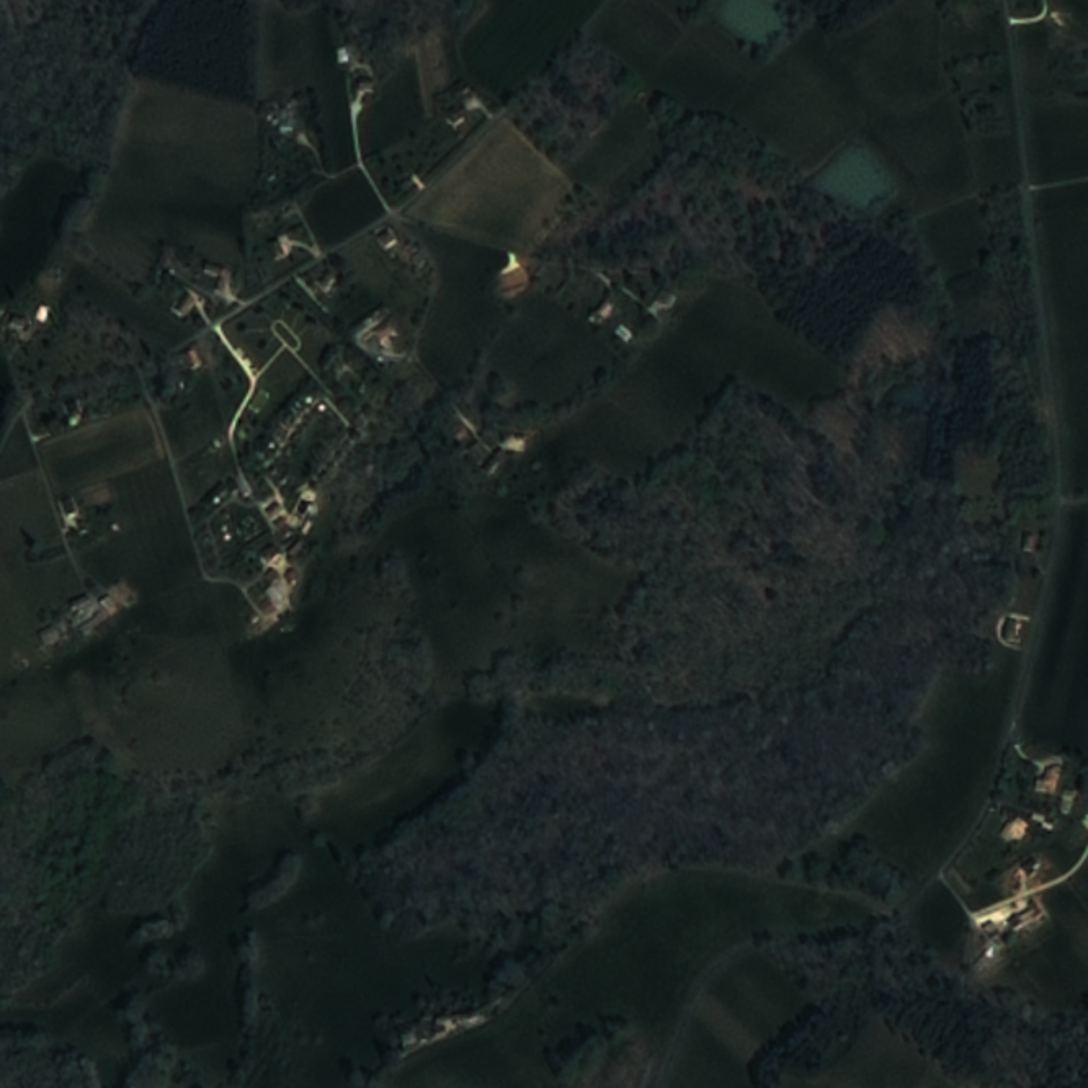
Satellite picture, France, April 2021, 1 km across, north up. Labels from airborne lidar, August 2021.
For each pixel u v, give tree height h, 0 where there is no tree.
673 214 8
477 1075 0
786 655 22
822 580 17
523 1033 0
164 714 0
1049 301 0
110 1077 0
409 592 12
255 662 0
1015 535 10
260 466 10
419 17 9
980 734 0
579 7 0
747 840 20
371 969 0
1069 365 0
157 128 0
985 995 0
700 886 0
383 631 8
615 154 0
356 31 14
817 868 17
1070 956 0
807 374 0
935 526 20
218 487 6
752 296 0
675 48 0
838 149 0
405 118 0
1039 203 0
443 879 15
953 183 0
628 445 0
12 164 22
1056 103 0
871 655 17
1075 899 0
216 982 0
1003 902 0
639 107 0
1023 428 7
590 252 14
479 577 0
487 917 10
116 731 0
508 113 11
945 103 0
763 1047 0
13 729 0
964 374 19
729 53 0
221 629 0
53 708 0
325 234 0
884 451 30
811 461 17
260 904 16
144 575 0
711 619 19
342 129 0
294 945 0
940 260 0
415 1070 0
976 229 0
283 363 0
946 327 14
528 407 8
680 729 15
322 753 14
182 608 0
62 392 15
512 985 17
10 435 0
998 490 13
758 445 15
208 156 0
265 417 0
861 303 18
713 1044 0
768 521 8
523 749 23
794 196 7
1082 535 0
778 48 9
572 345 0
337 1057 0
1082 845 0
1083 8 0
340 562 0
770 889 0
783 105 0
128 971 0
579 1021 0
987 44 0
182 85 19
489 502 0
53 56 15
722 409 16
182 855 13
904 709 20
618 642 7
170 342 0
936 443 21
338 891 0
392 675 9
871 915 0
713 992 0
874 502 17
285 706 0
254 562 8
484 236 0
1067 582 0
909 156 0
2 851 18
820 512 14
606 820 19
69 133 14
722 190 12
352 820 0
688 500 15
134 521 0
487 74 0
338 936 0
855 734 19
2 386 0
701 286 16
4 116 17
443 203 0
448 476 22
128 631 0
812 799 22
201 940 0
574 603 0
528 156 0
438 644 0
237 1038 0
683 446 6
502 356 0
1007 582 21
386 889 9
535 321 0
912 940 7
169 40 19
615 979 0
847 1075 0
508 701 20
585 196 12
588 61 13
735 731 17
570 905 19
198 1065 0
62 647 12
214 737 0
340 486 14
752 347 0
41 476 0
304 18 0
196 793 17
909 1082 0
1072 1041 21
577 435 0
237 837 0
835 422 26
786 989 0
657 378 0
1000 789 9
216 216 0
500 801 18
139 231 0
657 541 15
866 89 0
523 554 0
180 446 0
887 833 0
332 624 0
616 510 20
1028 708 0
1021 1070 29
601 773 8
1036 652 0
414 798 0
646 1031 0
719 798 13
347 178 0
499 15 0
